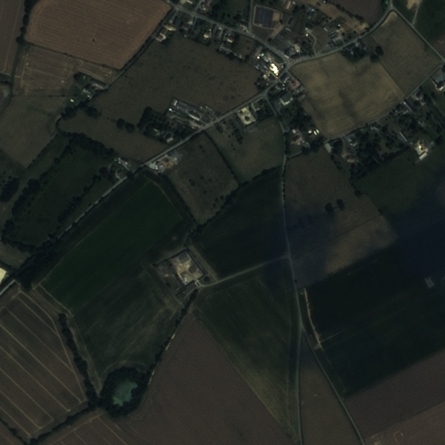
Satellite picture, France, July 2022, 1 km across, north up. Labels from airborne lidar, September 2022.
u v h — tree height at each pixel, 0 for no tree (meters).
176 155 0
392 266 0
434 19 0
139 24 0
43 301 0
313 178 0
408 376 0
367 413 0
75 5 0
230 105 0
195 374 0
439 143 18
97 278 0
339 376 0
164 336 0
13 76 0
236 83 0
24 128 0
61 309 0
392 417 0
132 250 0
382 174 0
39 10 0
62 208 0
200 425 0
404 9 0
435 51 0
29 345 0
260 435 0
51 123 0
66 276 0
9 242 8
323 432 0
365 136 11
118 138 0
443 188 0
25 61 0
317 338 0
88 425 0
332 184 0
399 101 0
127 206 0
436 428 0
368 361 0
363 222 0
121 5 0
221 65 0
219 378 0
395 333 0
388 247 0
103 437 0
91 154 0
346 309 0
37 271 18
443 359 0
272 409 0
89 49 0
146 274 0
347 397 0
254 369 0
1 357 0
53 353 0
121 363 0
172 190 9
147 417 0
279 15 0
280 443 0
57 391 0
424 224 0
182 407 0
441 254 0
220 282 0
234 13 0
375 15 0
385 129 14
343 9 10
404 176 0
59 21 0
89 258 0
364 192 0
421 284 0
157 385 0
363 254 0
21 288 0
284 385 0
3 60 0
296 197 0
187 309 8
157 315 0
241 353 0
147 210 0
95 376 0
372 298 0
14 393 0
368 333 0
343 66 0
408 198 0
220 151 7
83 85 0
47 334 0
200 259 0
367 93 0
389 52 0
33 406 0
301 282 0
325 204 0
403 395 0
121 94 0
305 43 10
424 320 0
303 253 0
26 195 21
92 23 0
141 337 0
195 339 0
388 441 0
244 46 0
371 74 0
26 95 0
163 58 0
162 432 0
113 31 0
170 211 0
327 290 0
